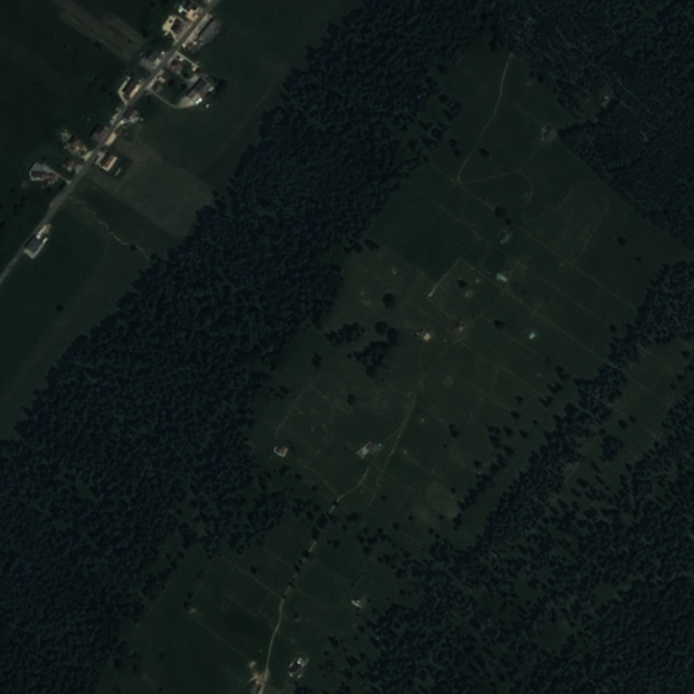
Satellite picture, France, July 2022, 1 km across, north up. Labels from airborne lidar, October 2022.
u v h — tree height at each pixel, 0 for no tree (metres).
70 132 0
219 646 0
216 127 0
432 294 0
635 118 18
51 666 30
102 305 0
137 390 39
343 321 0
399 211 0
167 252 0
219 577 0
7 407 0
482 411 0
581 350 0
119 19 0
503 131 0
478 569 20
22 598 28
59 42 0
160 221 0
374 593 0
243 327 21
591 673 29
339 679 0
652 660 26
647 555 24
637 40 28
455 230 0
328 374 0
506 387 0
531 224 0
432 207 0
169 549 0
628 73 22
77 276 0
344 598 0
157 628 0
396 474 0
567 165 0
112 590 30
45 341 0
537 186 0
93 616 24
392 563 22
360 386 0
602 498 24
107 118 0
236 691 0
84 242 0
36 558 24
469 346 0
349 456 0
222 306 30
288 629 0
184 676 0
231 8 0
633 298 0
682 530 29
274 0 0
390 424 0
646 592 21
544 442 0
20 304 0
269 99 0
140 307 35
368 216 22
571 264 0
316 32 0
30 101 0
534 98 0
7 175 0
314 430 0
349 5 0
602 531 17
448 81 0
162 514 27
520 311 0
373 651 0
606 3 26
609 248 0
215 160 0
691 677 19
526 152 0
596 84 20
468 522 0
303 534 0
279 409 0
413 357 0
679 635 25
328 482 0
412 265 0
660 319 16
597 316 0
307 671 0
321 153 23
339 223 16
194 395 27
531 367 0
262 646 0
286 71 0
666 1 30
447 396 0
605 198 0
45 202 0
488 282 0
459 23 23
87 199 0
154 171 0
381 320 0
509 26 23
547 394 0
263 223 30
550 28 22
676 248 0
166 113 0
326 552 0
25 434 20
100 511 25
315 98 16
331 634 0
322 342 0
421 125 0
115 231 0
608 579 21
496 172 0
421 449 0
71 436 24
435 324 0
